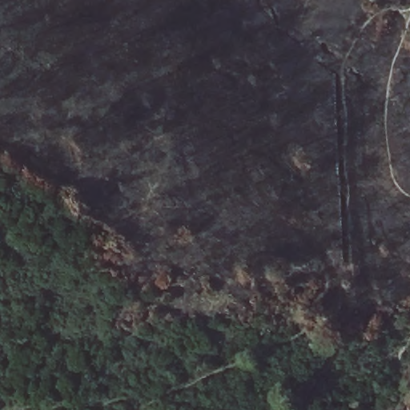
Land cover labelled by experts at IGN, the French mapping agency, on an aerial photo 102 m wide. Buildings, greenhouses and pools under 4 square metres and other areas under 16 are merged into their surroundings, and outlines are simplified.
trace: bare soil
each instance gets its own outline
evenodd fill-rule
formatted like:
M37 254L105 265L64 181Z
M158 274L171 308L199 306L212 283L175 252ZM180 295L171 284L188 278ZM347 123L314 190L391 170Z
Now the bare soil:
M404 30L400 35L383 37L381 32L376 32L376 22L373 21L367 29L360 30L362 22L367 19L367 14L360 8L360 0L0 0L0 152L6 152L11 162L16 163L18 167L27 168L30 175L45 179L51 187L74 187L74 200L78 203L80 215L101 219L130 242L135 253L130 263L131 271L138 271L141 277L151 277L155 274L170 275L168 293L171 298L181 298L184 293L202 295L200 277L207 277L211 290L223 290L224 282L227 279L234 279L237 275L234 269L237 266L255 279L261 298L272 301L277 299L271 282L266 279L266 272L282 277L288 287L293 288L299 295L306 288L306 282L316 282L316 293L307 299L303 311L316 312L319 316L327 317L330 330L340 333L341 340L351 343L362 333L365 340L376 340L376 349L380 357L389 354L389 357L399 359L402 367L399 388L400 396L404 399L400 400L396 407L388 410L410 410L410 0L376 0L376 5L381 8L386 5L402 6L399 13L405 21Z

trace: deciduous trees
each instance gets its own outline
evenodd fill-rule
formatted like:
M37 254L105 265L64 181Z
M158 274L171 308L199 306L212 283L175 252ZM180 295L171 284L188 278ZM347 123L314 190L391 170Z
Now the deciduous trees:
M131 271L130 263L135 253L130 242L101 219L80 215L78 203L74 200L74 187L51 187L45 179L30 175L27 168L18 167L16 163L11 162L6 152L0 152L0 410L388 410L396 407L400 400L404 399L400 396L399 388L402 367L399 359L389 357L389 354L380 357L376 349L376 340L365 340L362 333L351 343L341 340L340 333L330 330L327 317L319 316L316 320L307 320L307 325L296 324L290 314L290 304L299 295L293 288L288 287L283 293L285 299L277 299L272 301L261 298L255 279L237 266L234 269L237 275L234 279L227 279L224 282L223 290L211 290L207 277L200 277L202 295L184 293L181 298L171 298L168 293L170 275L155 274L151 277L141 277L138 271Z

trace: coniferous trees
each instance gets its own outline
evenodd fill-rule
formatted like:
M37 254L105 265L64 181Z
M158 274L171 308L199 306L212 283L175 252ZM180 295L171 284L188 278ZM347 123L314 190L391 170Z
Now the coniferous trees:
M367 29L373 21L376 22L376 32L381 32L383 37L400 35L404 30L405 21L399 13L402 6L386 5L381 8L376 5L376 0L360 0L360 8L367 14L367 19L362 22L360 30Z
M282 277L266 272L266 279L271 282L277 299L285 299L283 293L288 287Z
M299 295L290 304L290 314L296 324L307 325L307 320L316 320L319 316L316 312L303 311L307 299L316 293L316 282L306 282L306 288Z

